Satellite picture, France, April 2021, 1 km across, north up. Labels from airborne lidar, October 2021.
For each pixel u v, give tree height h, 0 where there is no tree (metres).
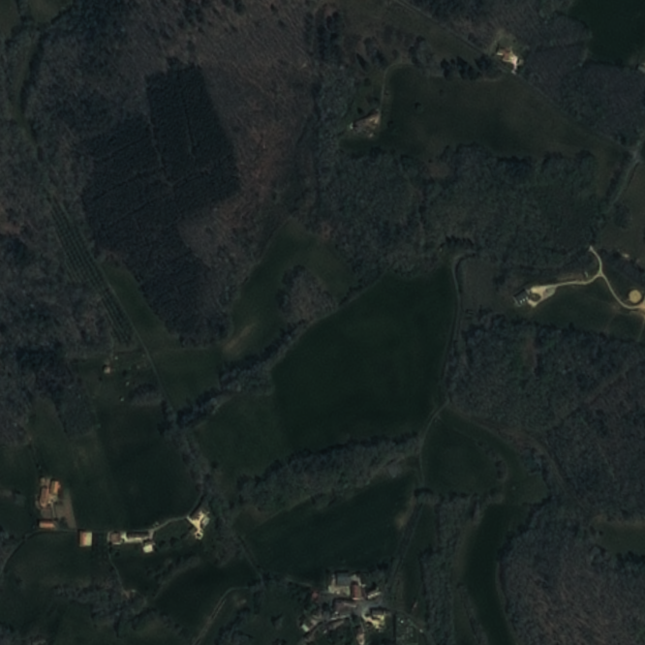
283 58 14
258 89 12
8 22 0
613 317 0
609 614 20
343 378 0
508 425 22
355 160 9
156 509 0
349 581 0
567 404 22
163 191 18
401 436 0
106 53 22
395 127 8
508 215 25
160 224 18
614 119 19
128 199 18
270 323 0
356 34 0
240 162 11
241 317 0
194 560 18
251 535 0
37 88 24
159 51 17
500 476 10
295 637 0
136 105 20
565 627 14
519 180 26
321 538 0
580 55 18
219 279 18
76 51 26
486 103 0
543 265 29
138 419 0
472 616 9
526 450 10
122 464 0
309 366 0
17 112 0
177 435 20
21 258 40
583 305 0
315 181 10
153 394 21
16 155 20
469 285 0
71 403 17
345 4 0
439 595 16
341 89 28
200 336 17
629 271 20
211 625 0
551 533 19
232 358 0
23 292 21
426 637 6
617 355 19
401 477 0
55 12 0
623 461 11
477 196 20
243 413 0
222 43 18
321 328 0
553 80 20
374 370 0
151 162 17
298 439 0
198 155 19
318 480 25
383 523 0
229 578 0
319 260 0
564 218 10
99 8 20
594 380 14
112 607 17
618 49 0
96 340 21
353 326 0
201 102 16
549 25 18
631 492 12
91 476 0
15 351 21
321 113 22
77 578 0
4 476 0
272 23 13
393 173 15
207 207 16
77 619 0
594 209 14
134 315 0
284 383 0
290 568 0
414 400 0
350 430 0
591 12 0
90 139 24
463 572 0
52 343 20
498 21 21
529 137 0
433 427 0
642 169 0
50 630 0
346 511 0
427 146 0
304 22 14
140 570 0
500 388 19
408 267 15
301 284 25
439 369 0
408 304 0
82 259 24
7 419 15
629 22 0
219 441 0
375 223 16
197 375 0
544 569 15
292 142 9
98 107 26
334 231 9
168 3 12
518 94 0
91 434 14
